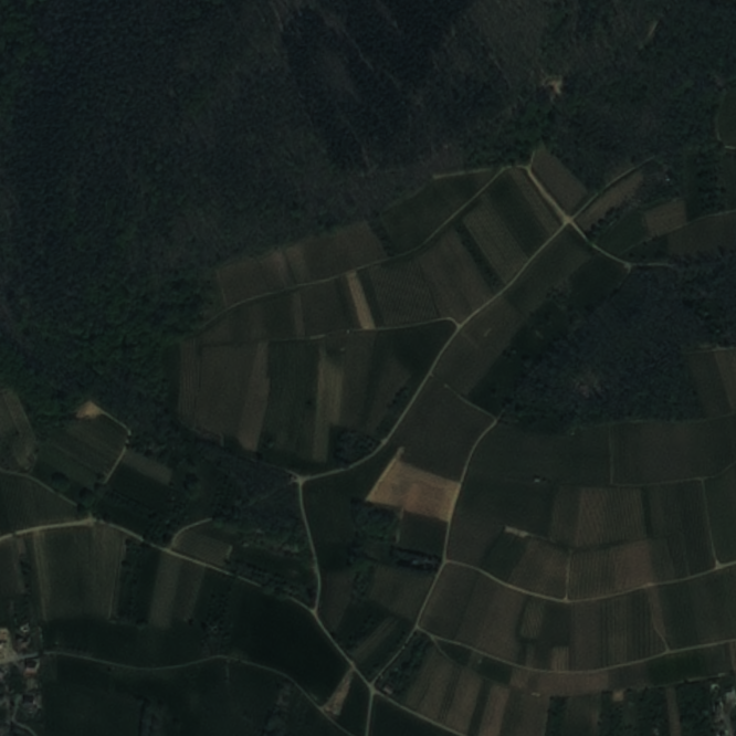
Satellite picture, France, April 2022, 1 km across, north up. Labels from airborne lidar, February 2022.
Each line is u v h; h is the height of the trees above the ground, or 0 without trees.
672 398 15
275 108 23
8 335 26
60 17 19
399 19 21
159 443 8
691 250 0
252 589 0
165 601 0
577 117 9
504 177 0
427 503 0
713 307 0
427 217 0
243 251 21
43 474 0
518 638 0
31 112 23
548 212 0
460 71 20
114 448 0
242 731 0
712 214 0
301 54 22
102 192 20
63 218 19
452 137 21
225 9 22
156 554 0
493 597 0
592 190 15
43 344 24
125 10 18
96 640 0
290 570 0
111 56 17
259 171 25
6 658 0
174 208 22
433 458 0
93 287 14
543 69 20
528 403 8
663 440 0
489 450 0
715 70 24
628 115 24
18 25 27
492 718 0
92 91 21
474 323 0
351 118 19
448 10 24
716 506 0
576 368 22
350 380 0
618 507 0
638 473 0
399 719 0
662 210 0
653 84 12
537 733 0
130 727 0
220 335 0
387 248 6
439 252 0
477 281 0
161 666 0
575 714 0
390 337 0
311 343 0
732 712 0
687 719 14
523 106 17
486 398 0
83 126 19
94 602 0
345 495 0
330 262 0
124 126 20
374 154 16
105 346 25
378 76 18
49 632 0
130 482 0
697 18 24
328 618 0
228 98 23
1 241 25
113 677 0
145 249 26
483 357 0
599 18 19
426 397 0
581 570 0
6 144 24
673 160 17
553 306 0
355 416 0
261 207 22
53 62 22
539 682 0
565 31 14
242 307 0
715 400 0
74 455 0
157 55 19
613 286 0
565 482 0
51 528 0
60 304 17
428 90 20
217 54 23
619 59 16
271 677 0
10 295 26
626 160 24
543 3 12
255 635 0
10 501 0
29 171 24
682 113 21
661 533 0
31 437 0
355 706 0
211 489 0
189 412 0
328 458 0
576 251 0
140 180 18
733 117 0
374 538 9
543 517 0
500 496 0
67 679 0
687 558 0
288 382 0
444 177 0
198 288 18
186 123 22
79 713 0
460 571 0
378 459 0
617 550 0
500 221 0
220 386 0
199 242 27
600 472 0
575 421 18
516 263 0
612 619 0
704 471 0
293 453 0
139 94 21
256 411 0
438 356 0
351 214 20
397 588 0
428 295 0
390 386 0
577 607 0
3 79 29
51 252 17
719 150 16
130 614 8
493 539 0
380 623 0
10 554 0
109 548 0
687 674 0
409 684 6
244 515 14
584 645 0
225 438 0
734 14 28
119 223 22
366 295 0
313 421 0
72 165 19
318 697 0
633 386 22
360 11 28
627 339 20
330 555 0
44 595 0
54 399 26
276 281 0
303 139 24
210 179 21
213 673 0
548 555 0
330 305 0
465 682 0
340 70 20
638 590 0
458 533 0
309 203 17
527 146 11
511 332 0
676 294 23
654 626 0
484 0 16
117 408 22
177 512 6
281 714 8
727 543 0
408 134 22
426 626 0
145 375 17
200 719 0
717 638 0
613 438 0
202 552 0
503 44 16
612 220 10
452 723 0
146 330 26
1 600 0
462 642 0
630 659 0
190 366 0
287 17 23
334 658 0
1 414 0
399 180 14
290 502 15
